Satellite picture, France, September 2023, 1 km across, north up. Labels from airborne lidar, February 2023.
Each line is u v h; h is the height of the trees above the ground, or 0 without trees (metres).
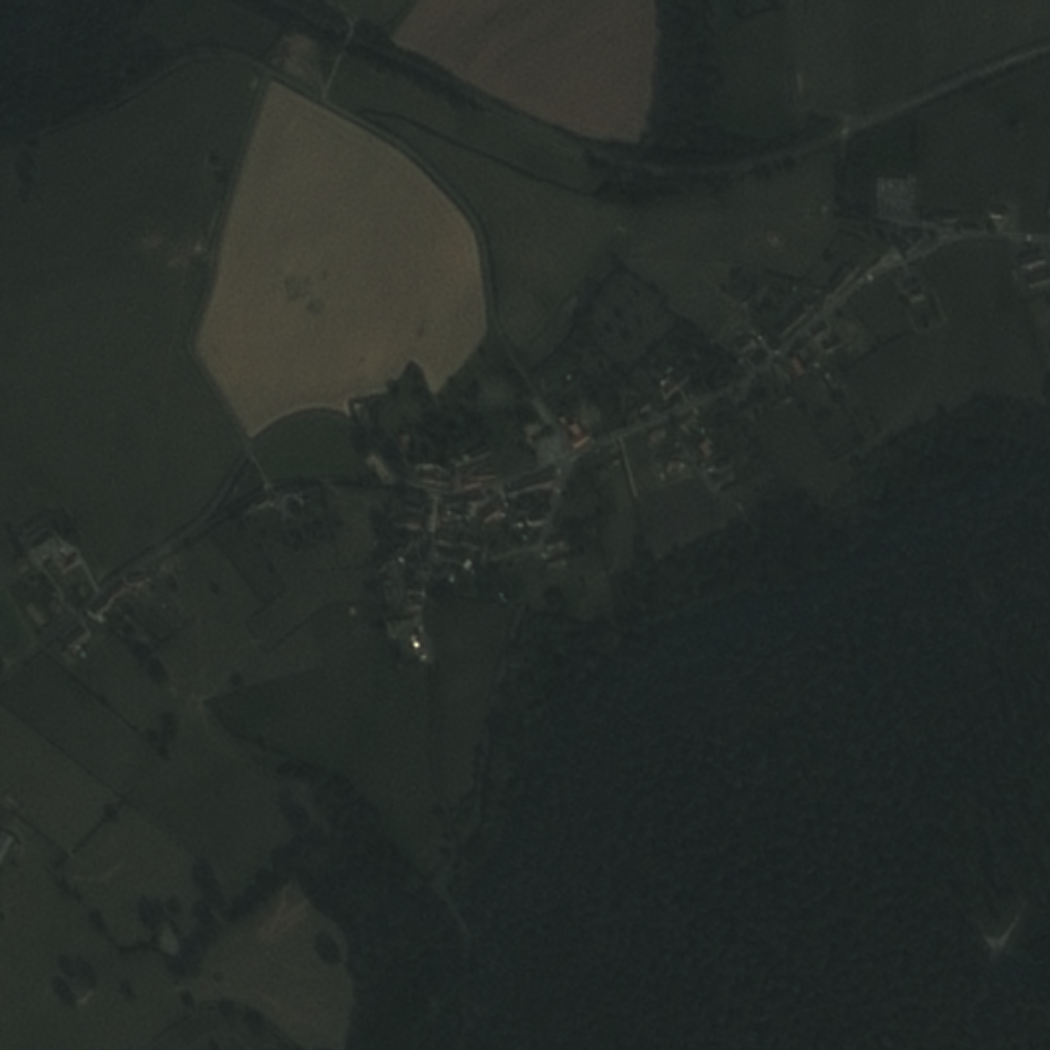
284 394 0
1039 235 0
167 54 14
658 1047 24
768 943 28
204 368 0
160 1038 0
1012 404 16
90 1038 0
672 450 0
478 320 0
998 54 0
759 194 0
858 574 28
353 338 0
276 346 0
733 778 28
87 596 0
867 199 0
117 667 0
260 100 0
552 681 0
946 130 0
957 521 30
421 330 0
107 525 0
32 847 0
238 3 7
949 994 29
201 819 0
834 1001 33
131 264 0
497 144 0
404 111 0
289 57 0
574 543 7
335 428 0
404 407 0
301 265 0
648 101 0
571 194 0
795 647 31
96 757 0
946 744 28
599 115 0
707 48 18
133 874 0
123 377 0
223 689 0
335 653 0
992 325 0
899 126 0
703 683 30
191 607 0
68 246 0
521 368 0
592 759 13
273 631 0
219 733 0
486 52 0
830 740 27
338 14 10
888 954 29
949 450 15
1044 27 0
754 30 0
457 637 0
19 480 0
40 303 0
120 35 16
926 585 21
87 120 0
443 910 14
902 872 28
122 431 0
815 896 27
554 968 22
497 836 6
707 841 28
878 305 0
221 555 0
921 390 0
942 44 0
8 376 0
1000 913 25
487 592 8
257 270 0
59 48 15
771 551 15
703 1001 29
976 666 29
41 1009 0
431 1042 12
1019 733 22
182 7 0
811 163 0
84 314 0
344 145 0
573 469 0
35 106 18
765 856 10
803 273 0
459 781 0
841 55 0
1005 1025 30
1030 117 0
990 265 0
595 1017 23
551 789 26
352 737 0
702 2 6
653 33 0
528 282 0
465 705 0
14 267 0
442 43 0
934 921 26
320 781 10
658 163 0
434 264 0
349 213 0
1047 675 19
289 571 0
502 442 0
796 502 12
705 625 11
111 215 0
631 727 27
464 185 0
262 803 0
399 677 0
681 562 14
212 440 0
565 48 0
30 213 0
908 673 29
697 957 30
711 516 0
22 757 0
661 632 14
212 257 0
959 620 21
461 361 0
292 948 0
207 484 0
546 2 0
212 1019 0
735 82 0
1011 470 9
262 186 0
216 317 0
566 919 22
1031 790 27
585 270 0
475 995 24
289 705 0
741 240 0
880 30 0
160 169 0
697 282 0
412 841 0
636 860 26
